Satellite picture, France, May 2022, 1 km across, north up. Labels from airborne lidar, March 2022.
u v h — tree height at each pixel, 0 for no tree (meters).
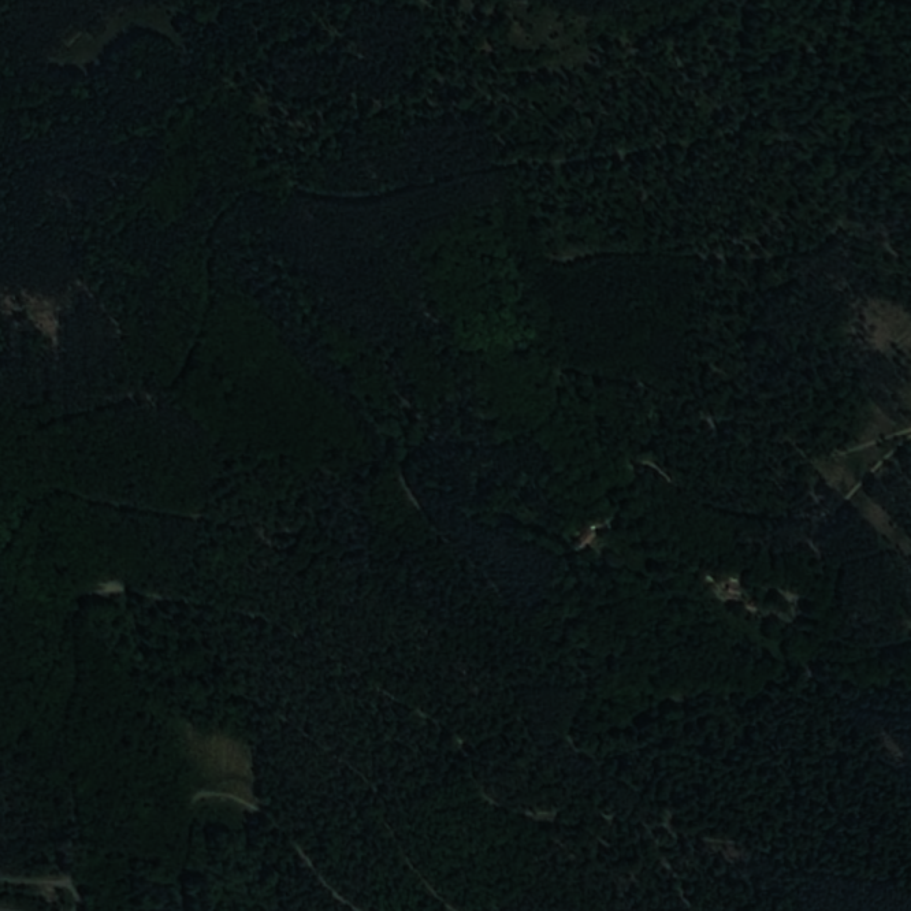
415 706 17
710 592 8
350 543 25
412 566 21
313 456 17
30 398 18
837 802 27
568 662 15
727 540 17
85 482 21
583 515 20
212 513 21
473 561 20
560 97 27
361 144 16
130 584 13
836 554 35
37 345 19
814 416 14
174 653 27
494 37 22
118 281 20
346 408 25
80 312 20
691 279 10
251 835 18
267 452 20
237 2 17
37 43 24
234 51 21
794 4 32
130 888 23
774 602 20
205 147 17
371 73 28
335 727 25
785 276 10
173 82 21
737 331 11
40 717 24
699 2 19
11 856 12
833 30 25
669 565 18
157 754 21
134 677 26
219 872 20
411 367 30
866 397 19
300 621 25
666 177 28
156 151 23
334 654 20
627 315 13
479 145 32
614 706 28
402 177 20
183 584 15
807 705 24
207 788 0
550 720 21
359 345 25
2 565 28
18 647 24
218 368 19
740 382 32
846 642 21
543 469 33
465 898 15
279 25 19
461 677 21
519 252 13
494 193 21
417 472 29
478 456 29
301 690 22
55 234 25
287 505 16
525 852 19
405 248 27
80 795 18
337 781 23
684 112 29
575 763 16
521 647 15
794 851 21
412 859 17
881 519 0
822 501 29
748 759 24
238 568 27
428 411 27
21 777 8
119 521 18
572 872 26
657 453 25
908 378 24
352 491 15
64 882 0
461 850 16
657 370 16
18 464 21
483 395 24
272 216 29
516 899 17
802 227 10
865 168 34
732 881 13
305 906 25
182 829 16
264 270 25
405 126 30
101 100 22
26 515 27
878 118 30
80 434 19
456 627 20
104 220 25
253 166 10
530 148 13
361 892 20
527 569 23
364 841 20
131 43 17
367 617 19
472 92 32
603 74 14
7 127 26
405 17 29
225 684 31
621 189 35
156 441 20
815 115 33
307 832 11
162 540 18
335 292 30
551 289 17
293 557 20
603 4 15
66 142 29
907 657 25
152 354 17
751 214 25
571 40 0
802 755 30
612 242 33
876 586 24
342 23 20
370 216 23
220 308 24
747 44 34
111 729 24
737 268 27
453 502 33
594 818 25
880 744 22
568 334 12
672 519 24
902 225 26
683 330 8
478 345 24
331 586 19
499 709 10
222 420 20
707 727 29
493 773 16
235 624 26
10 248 26
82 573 22
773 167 28
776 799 22
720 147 26
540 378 22
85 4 24
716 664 29
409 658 12
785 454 10
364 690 18
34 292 24
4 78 26
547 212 32
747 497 22
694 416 28
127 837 20
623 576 23
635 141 17
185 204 21
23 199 29
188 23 17
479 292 26
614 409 29
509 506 32
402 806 23
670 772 25
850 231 7
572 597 25
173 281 22
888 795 24
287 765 26
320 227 25
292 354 27
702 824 24
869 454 0
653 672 17
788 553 24
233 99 7
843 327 20
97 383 21
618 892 17
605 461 26
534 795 14
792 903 12
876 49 34
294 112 30
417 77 20
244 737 20
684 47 27
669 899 15
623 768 26
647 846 19
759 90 32
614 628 23
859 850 21
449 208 21
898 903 20
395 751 18
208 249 23
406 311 23
